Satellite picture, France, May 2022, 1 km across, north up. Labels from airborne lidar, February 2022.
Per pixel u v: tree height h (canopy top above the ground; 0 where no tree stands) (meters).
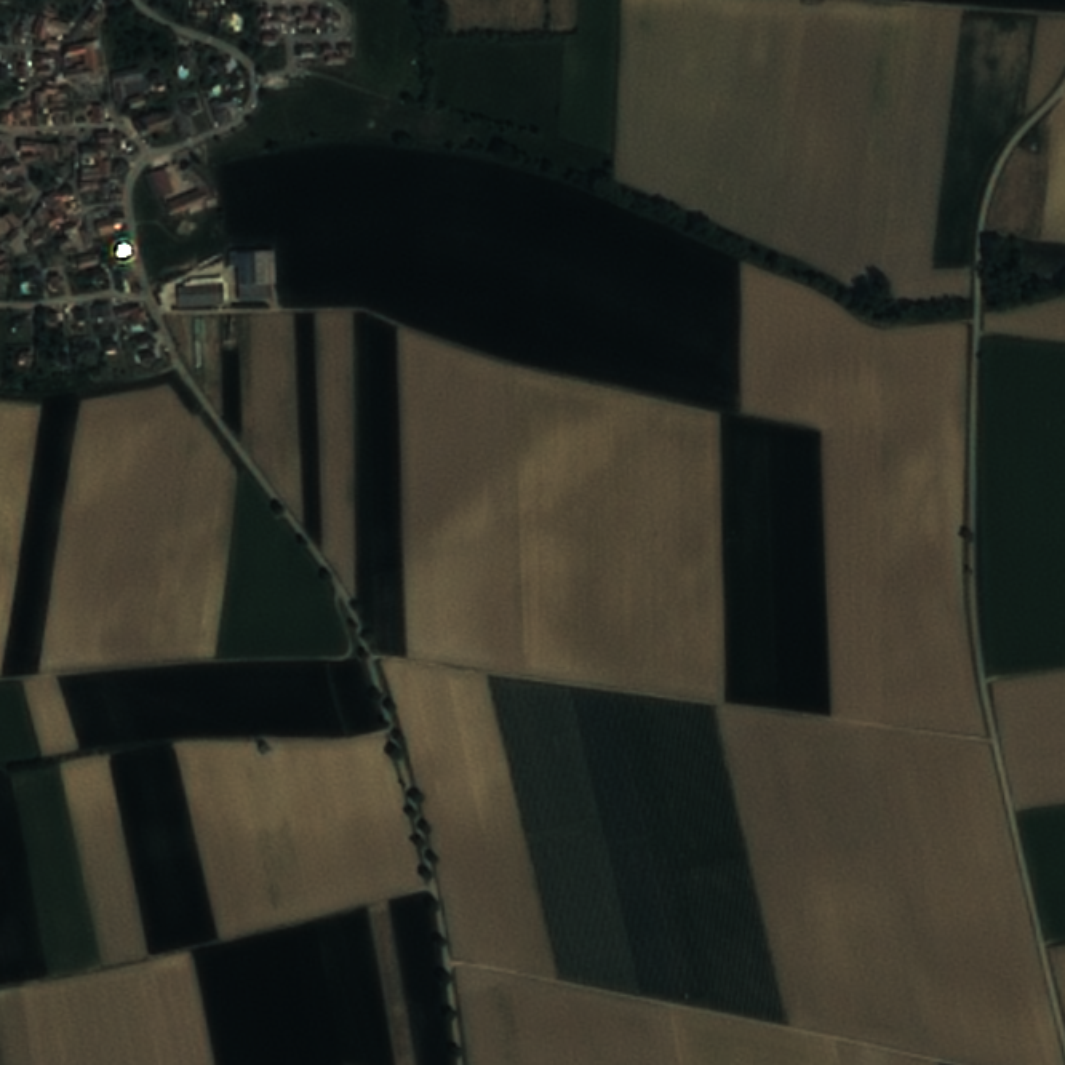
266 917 0
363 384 0
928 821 0
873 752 0
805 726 0
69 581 0
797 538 0
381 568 0
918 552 0
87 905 0
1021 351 0
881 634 0
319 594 0
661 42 0
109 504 0
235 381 0
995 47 0
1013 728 0
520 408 0
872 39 0
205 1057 0
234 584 0
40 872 0
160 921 0
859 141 0
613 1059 0
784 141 0
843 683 0
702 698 0
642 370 0
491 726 0
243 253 0
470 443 0
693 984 0
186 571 0
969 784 0
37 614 0
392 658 0
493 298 0
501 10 0
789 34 0
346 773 0
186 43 0
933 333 0
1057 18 0
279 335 0
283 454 0
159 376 0
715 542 0
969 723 0
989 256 14
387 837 0
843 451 0
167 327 0
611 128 0
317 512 0
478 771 0
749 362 0
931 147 0
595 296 0
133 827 0
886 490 0
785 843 0
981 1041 0
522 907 0
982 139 0
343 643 0
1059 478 0
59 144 8
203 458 0
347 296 0
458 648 0
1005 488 0
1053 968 0
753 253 11
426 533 0
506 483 0
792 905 0
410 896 0
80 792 0
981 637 0
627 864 0
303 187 0
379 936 0
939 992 0
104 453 0
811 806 0
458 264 0
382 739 0
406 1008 0
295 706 0
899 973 0
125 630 0
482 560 0
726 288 0
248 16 7
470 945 0
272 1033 0
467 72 0
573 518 0
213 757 0
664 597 0
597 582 0
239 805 0
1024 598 0
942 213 0
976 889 0
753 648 0
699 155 0
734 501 0
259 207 0
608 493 0
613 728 0
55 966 0
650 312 0
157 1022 0
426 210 0
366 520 0
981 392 0
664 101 0
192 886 0
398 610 0
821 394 0
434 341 0
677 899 0
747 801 0
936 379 0
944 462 0
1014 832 0
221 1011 0
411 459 0
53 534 0
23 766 8
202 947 0
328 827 0
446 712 0
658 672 0
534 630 0
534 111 0
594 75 0
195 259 0
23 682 0
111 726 0
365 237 0
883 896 0
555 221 0
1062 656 0
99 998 0
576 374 0
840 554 0
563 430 0
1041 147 0
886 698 0
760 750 0
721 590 0
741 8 0
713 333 0
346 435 0
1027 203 0
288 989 0
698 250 0
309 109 0
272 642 0
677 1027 0
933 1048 0
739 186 0
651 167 0
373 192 0
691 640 0
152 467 0
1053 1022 0
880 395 0
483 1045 0
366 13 0
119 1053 0
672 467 0
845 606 0
